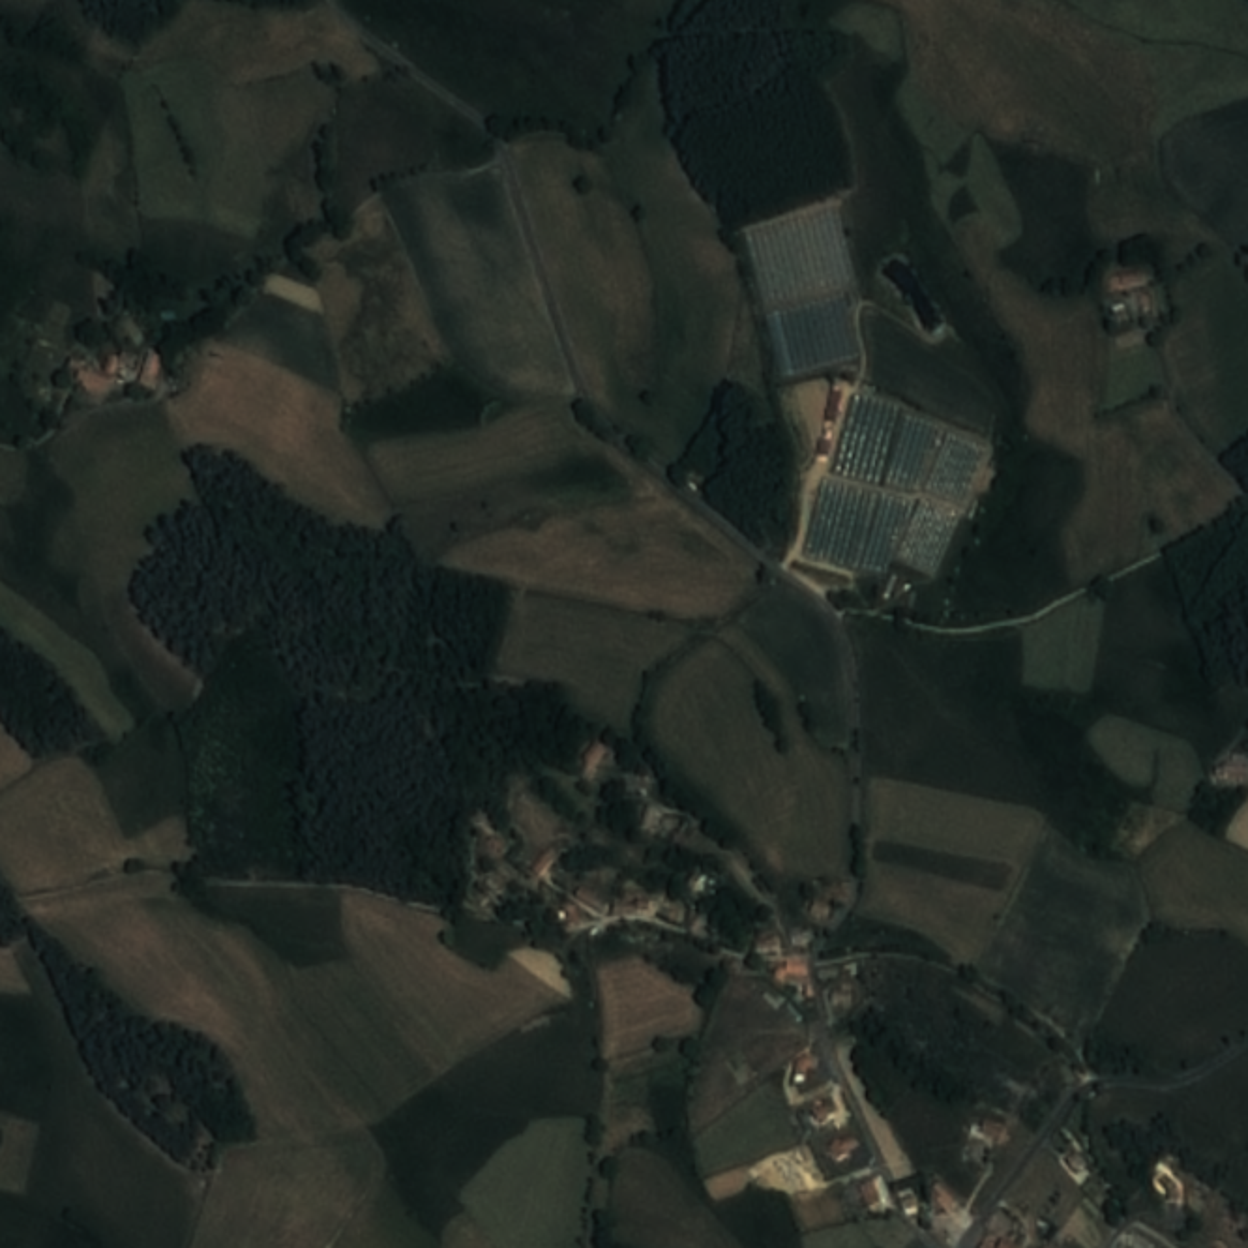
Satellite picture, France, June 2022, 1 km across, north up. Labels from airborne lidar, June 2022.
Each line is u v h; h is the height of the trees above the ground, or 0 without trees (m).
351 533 15
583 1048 0
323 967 0
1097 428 0
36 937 18
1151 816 0
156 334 13
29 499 0
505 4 0
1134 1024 0
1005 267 0
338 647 14
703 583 0
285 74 0
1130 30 0
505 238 0
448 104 0
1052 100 0
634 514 0
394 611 20
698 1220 0
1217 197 0
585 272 0
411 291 0
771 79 24
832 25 0
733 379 0
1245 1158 0
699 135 28
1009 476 11
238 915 0
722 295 0
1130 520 0
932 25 0
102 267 8
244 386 0
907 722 0
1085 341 0
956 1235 0
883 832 0
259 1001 0
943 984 0
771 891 7
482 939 0
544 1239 0
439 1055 0
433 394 0
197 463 26
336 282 0
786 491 19
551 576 0
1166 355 0
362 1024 0
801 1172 0
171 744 0
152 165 0
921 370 0
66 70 0
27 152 11
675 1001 0
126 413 0
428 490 0
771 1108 0
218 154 0
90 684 0
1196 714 0
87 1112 0
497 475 0
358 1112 0
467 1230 0
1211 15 0
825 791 0
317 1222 0
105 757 11
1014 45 0
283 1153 0
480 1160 0
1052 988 0
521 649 0
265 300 0
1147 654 0
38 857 0
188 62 0
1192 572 9
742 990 0
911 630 8
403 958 0
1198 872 0
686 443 0
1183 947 0
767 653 0
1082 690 0
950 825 0
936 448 0
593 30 0
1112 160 0
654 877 9
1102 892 0
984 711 0
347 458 0
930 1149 0
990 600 0
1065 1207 0
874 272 0
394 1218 0
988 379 0
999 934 0
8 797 0
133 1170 0
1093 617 0
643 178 0
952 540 0
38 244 0
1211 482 0
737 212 20
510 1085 0
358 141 0
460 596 17
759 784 0
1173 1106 0
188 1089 19
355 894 0
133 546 0
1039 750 0
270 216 0
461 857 5
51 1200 0
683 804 14
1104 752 0
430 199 0
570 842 0
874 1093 12
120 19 18
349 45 0
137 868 12
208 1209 0
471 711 16
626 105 14
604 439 12
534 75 0
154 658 0
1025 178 0
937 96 0
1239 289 0
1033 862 0
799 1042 0
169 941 0
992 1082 0
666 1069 0
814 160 21
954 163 0
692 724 0
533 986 0
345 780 21
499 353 0
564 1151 0
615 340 0
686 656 0
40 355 0
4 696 19
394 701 16
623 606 0
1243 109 0
